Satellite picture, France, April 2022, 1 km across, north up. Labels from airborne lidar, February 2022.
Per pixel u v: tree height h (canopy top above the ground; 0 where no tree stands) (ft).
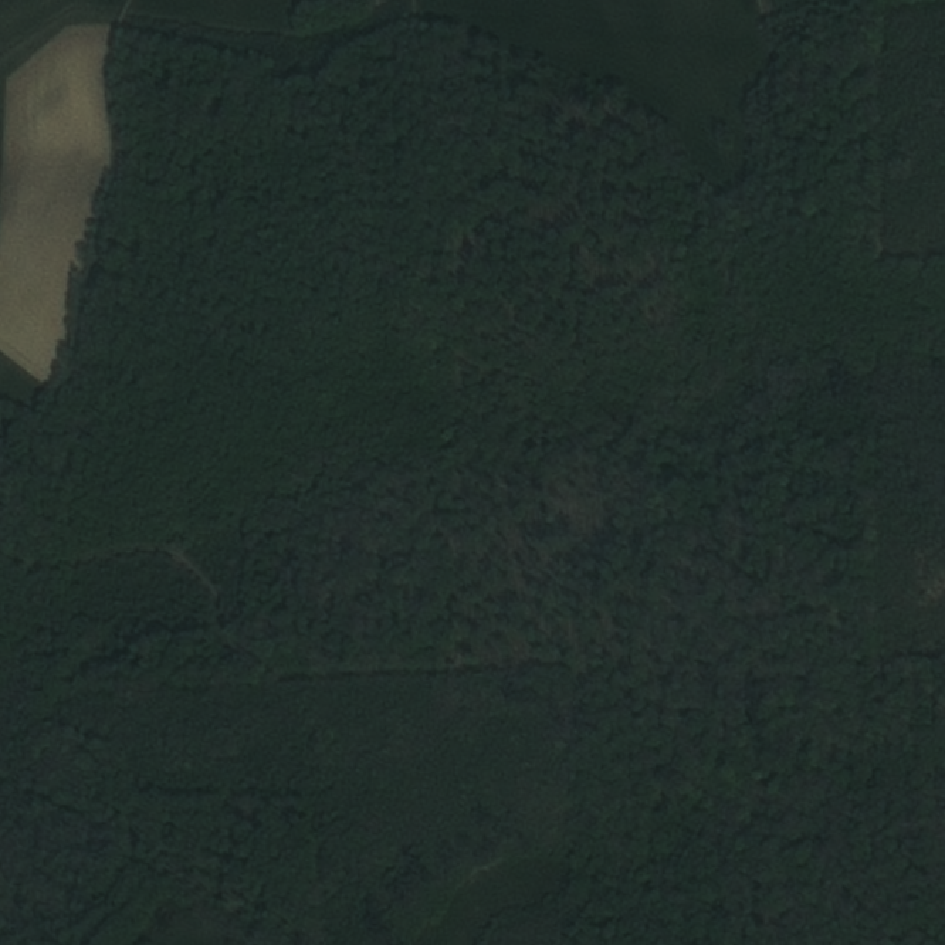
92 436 35
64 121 0
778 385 69
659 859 87
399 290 79
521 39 0
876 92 24
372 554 94
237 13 0
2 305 0
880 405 59
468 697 64
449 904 22
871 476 58
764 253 61
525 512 79
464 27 67
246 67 86
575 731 65
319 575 89
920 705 99
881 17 77
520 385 72
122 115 49
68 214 0
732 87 0
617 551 83
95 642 99
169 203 70
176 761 73
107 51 0
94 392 76
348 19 60
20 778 65
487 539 96
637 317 85
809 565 99
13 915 0
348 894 65
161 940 0
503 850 40
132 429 74
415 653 75
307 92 79
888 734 99
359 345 75
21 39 0
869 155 74
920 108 37
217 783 57
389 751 66
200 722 66
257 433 69
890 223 30
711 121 0
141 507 66
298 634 79
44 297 0
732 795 98
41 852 70
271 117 96
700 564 94
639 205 98
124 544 51
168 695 57
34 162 0
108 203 58
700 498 65
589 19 0
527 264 83
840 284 72
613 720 90
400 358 73
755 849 94
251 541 81
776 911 101
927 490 69
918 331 72
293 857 96
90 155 0
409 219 85
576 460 108
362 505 101
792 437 66
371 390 68
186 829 80
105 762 90
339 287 53
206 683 64
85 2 0
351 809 58
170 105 81
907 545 31
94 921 82
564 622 96
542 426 82
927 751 96
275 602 66
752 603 95
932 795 79
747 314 56
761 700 92
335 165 95
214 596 61
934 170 35
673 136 79
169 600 25
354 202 87
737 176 0
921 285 71
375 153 89
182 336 88
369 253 86
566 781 53
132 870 72
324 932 96
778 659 45
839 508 95
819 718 105
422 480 104
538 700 82
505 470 96
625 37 0
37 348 0
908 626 39
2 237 0
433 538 90
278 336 81
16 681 88
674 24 0
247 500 62
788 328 65
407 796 50
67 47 0
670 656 103
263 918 82
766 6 0
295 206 81
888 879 106
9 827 94
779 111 86
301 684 51
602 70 0
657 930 88
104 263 22
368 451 81
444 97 87
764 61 0
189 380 58
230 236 74
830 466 101
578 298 85
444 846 62
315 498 79
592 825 93
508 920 34
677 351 76
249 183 71
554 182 90
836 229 84
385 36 72
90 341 77
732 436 73
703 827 88
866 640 99
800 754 97
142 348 70
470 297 81
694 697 105
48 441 74
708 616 93
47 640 92
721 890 87
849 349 89
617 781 91
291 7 0
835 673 88
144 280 86
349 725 59
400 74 67
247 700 60
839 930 103
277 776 58
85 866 97
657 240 94
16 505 94
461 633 105
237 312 85
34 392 0
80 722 60
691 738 83
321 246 90
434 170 97
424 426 80
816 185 81
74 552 53
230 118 90
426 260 94
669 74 0
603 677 77
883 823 95
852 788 87
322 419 62
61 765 109
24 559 77
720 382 86
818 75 105
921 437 64
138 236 84
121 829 81
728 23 0
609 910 87
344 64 90
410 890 79
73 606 79
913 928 97
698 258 69
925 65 35
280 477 74
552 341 90
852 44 97
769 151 60
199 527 60
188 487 75
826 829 74
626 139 106
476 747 55
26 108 0
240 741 74
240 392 77
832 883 101
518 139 85
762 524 97
